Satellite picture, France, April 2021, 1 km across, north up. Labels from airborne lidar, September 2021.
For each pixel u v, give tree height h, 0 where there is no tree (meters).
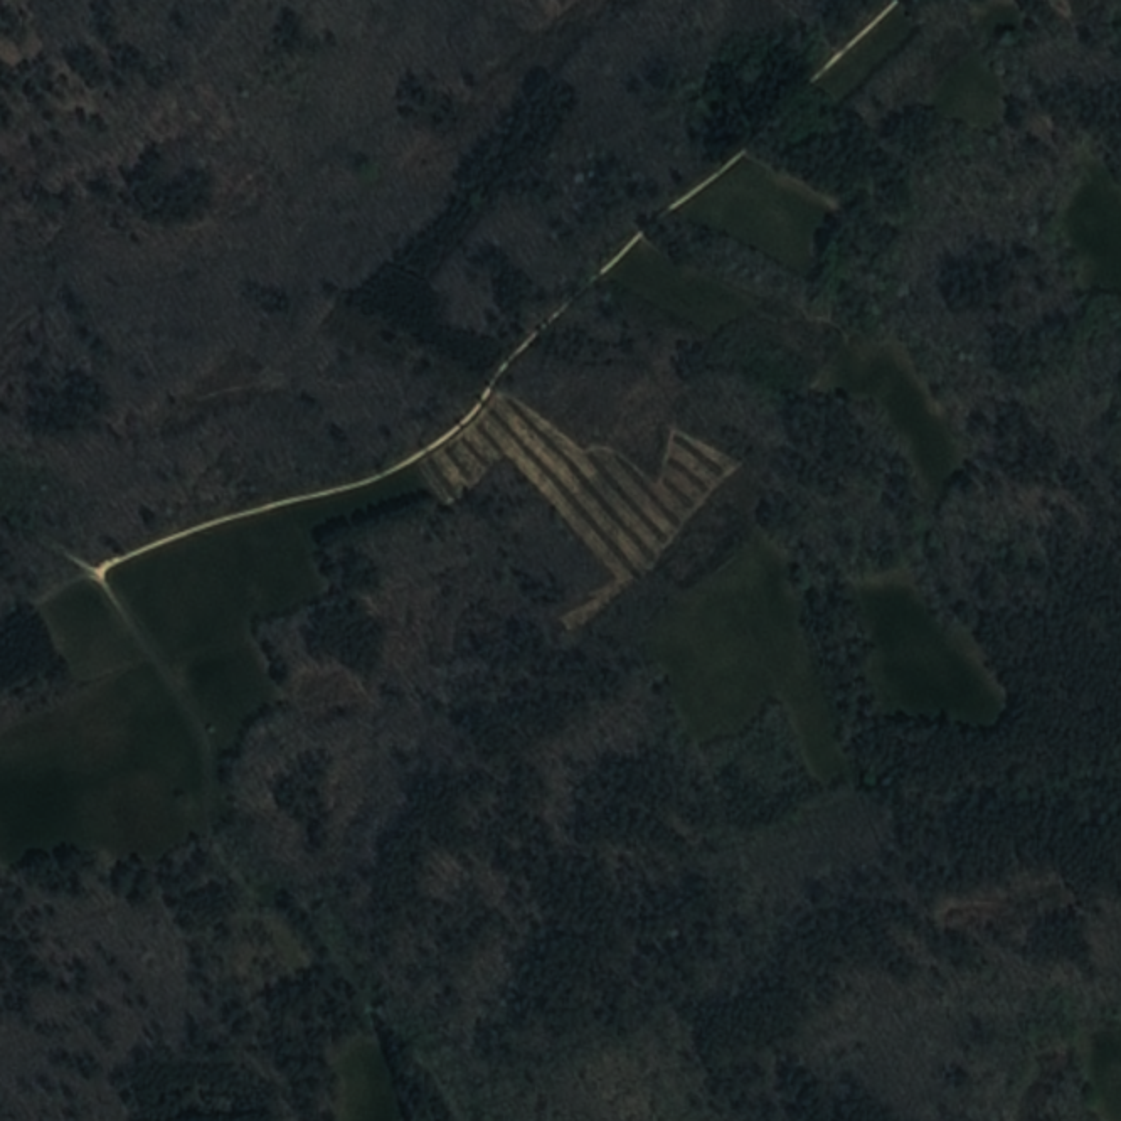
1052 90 23
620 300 6
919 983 25
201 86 12
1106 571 25
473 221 11
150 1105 19
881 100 15
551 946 32
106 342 15
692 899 19
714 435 7
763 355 9
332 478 15
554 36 6
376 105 14
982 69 0
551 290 14
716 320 0
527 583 15
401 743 23
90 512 15
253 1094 16
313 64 10
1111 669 24
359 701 8
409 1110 22
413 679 17
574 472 0
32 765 0
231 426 13
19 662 19
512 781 13
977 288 25
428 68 12
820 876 23
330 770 24
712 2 21
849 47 14
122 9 12
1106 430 19
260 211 14
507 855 27
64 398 14
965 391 13
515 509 14
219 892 17
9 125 27
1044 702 27
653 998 11
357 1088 0
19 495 21
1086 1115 14
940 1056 16
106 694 0
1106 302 20
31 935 14
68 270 15
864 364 0
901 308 9
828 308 16
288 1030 14
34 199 10
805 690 0
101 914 10
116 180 16
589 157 11
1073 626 24
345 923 27
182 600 0
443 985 30
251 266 12
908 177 22
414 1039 22
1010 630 27
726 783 19
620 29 16
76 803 0
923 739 31
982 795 19
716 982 23
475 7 17
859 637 20
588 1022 23
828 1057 20
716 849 16
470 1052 23
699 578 5
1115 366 18
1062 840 29
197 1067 15
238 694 0
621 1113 9
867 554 13
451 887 20
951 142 15
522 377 8
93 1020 14
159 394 13
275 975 9
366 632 25
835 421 23
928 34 14
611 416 6
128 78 21
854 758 19
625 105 12
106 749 0
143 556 0
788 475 17
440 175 6
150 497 12
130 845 0
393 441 16
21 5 0
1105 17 17
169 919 14
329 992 16
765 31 11
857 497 16
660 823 24
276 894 8
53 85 0
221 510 13
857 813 17
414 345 7
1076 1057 14
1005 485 18
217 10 14
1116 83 21
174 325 15
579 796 22
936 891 26
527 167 15
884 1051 16
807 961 23
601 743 16
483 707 17
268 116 12
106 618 0
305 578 0
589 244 17
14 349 6
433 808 26
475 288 16
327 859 29
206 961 14
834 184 25
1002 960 16
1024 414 24
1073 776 29
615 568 0
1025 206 22
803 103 17
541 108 19
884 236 24
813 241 0
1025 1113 9
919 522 22
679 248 20
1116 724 29
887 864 13
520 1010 29
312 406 17
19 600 13
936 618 13
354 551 14
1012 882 23
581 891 31
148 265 14
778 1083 10
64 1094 9
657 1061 11
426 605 11
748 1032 28
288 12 11
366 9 13
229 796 19
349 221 18
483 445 0
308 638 16
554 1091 14
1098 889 30
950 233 16
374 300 12
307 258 14
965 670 0
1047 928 23
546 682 27
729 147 21
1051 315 12
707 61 16
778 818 26
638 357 7
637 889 28
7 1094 12
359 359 11
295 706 13
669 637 0
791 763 19
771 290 15
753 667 0
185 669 0
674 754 20
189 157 14
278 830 12
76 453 14
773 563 0
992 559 20
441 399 16
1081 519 15
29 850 0
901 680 0
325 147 15
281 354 13
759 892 17
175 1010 10
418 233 11
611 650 10
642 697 12
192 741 0
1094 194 0
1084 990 17
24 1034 10
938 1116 18
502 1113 17
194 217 25
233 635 0
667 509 0
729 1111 16
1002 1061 18
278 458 16
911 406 0
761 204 0
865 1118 25
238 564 0
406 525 16
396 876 26
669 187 10
